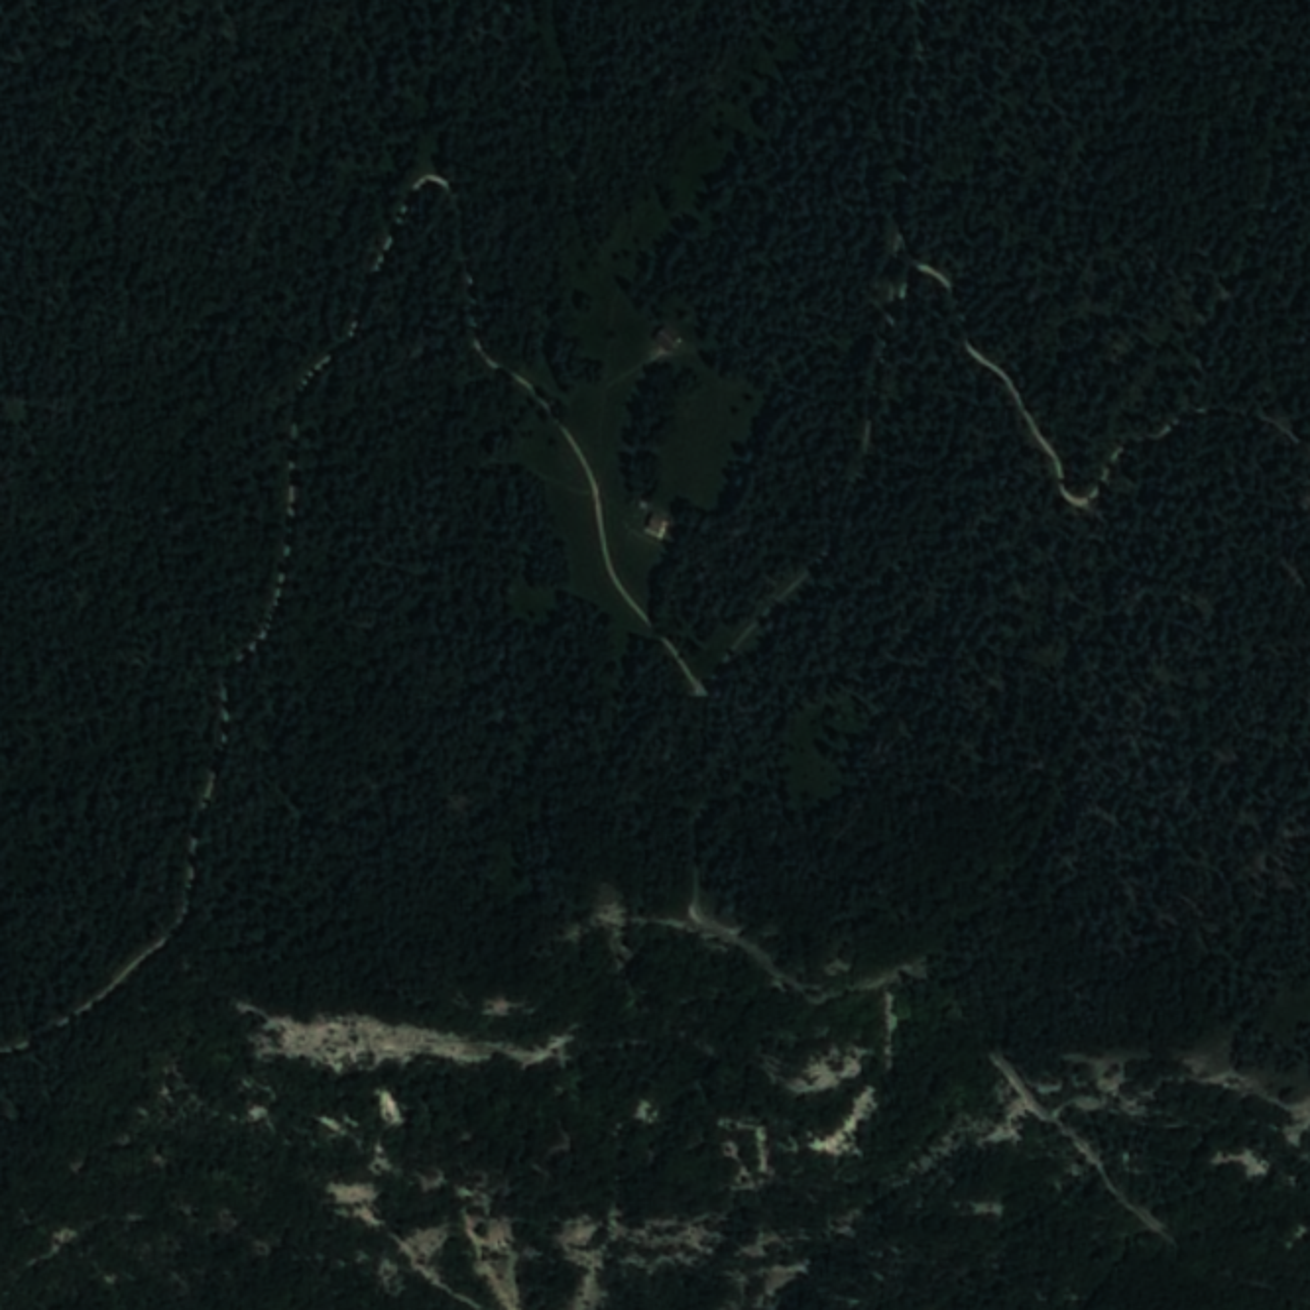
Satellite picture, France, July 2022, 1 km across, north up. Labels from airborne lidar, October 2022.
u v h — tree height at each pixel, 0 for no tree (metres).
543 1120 17
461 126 17
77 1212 15
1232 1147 12
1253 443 24
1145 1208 11
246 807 19
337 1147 11
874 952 16
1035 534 7
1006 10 28
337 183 24
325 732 23
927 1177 7
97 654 8
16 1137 16
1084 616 33
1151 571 26
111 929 13
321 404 19
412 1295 10
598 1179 16
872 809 24
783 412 23
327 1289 18
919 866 24
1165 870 23
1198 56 23
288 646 20
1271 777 11
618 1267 10
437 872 24
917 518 28
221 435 10
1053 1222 18
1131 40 9
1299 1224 12
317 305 21
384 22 29
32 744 23
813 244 24
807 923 15
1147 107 19
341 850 23
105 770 15
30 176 20
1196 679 22
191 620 22
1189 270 26
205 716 20
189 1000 8
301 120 28
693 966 18
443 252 28
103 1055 18
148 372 13
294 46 19
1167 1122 8
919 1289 18
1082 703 32
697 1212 14
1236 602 21
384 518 22
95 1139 16
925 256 27
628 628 0
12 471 16
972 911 13
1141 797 20
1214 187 21
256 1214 16
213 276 20
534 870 19
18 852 16
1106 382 21
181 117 22
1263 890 23
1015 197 21
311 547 12
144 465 15
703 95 15
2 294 20
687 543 20
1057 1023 16
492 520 13
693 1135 15
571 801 16
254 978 8
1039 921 16
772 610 0
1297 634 21
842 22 19
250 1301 16
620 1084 27
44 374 18
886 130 19
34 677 10
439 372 23
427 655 9
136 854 7
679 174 11
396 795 24
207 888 21
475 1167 19
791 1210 12
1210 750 13
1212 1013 13
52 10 21
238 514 12
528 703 29
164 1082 14
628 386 0
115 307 19
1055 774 11
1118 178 20
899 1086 19
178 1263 11
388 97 25
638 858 26
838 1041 14
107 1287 8
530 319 25
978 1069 16
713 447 0
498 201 24
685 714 28
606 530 0
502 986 15
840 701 24
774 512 9
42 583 13
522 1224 12
